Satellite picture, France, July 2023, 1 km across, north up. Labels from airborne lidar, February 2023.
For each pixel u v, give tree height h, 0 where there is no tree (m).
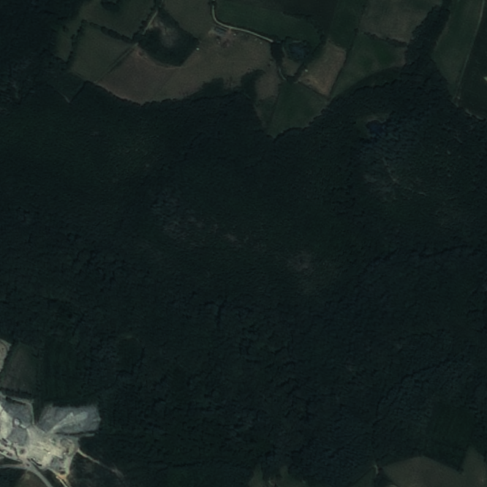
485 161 21
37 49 14
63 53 0
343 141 23
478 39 0
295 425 28
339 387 20
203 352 27
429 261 29
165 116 26
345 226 21
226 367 23
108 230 13
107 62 0
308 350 20
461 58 0
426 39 17
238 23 0
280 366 28
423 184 9
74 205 18
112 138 12
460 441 0
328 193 18
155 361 27
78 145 13
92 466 0
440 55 0
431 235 14
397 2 0
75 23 0
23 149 18
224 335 26
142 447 9
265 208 23
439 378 28
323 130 22
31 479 0
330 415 22
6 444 0
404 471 0
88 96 17
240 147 21
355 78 0
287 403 27
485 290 25
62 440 0
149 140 14
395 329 24
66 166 21
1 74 13
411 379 25
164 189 16
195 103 15
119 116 17
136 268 27
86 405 0
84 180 20
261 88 0
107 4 17
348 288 24
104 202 16
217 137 21
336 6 0
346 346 19
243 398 25
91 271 29
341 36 0
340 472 21
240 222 10
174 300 21
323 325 20
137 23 0
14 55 11
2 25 15
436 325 23
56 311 17
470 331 23
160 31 0
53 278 27
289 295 22
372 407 14
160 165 19
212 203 13
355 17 0
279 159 21
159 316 24
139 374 20
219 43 0
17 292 26
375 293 22
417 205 15
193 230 12
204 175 17
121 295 25
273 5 0
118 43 0
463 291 19
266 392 24
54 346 0
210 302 21
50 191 22
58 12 9
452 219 9
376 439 9
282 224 21
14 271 23
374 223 19
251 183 24
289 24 0
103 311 26
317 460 24
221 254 10
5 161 24
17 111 16
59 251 32
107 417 17
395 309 24
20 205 21
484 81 0
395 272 25
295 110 0
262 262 14
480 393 25
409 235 12
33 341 19
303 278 9
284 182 23
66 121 14
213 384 17
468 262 25
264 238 10
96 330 23
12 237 28
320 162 21
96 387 19
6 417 0
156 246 14
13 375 20
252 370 27
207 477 15
